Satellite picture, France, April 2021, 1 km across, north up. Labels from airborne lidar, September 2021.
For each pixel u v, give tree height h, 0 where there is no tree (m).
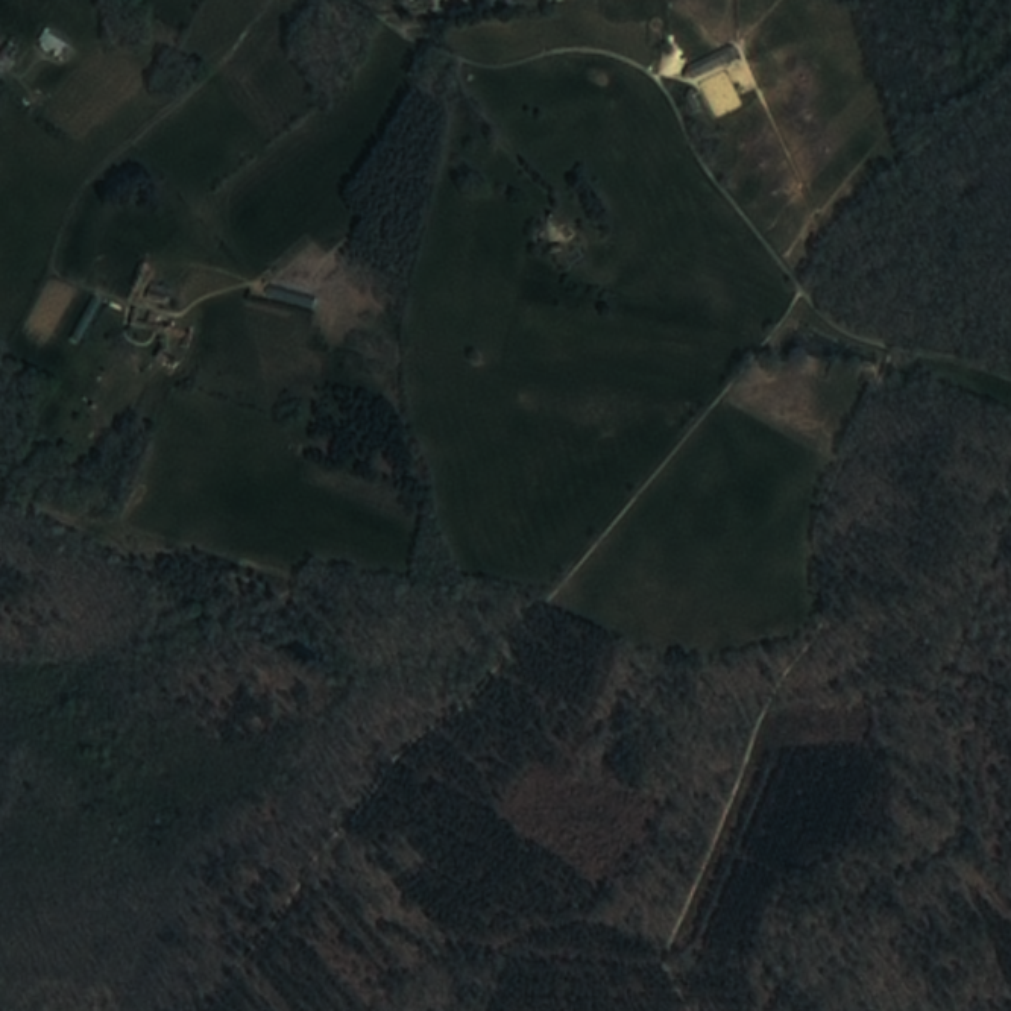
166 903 14
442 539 14
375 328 0
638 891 17
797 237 0
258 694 13
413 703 17
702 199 0
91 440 0
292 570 0
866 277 23
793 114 0
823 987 20
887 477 21
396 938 20
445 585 18
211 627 22
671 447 0
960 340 24
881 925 18
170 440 0
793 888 25
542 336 0
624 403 0
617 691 15
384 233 14
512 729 18
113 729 11
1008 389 0
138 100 0
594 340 0
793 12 0
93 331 0
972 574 19
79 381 0
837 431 0
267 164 0
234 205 0
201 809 15
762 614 0
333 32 22
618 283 0
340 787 13
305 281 0
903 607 24
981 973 24
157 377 0
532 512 0
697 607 0
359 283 12
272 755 15
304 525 0
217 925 11
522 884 19
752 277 0
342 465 10
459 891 19
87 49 0
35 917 22
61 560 17
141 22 25
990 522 24
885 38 19
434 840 19
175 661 12
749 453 0
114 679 14
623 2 0
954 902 19
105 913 18
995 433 20
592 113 0
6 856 12
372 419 11
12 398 22
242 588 15
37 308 0
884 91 9
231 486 0
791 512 0
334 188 0
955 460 19
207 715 14
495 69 0
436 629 19
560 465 0
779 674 14
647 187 0
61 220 0
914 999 19
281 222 0
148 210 14
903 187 20
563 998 19
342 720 17
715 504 0
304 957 18
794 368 17
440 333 0
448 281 0
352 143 0
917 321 22
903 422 20
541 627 19
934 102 12
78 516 19
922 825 15
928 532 18
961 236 23
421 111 14
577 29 0
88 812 18
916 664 22
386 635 19
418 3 10
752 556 0
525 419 0
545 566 0
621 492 0
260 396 0
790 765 8
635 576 0
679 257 0
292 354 0
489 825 20
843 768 8
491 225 0
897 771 25
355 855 14
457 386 0
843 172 0
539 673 18
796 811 10
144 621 18
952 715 9
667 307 0
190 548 0
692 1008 19
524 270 0
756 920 11
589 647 18
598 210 20
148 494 0
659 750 27
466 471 0
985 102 21
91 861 14
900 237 25
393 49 0
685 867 17
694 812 17
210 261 0
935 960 22
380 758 17
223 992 14
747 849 10
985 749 6
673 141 0
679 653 0
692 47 0
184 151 0
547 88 0
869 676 19
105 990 18
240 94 0
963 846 15
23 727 11
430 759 21
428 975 18
